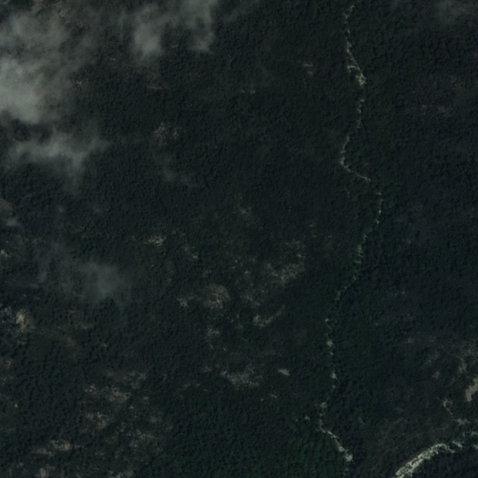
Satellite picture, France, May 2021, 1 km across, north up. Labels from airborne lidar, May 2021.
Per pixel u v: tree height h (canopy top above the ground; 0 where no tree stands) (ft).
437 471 27
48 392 82
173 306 84
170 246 54
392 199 68
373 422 34
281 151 28
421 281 20
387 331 26
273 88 35
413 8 72
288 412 64
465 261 44
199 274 39
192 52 59
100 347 53
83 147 26
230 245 25
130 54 23
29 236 41
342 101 49
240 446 69
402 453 26
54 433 61
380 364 48
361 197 68
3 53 22
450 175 55
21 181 62
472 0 23
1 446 93
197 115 67
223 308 19
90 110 81
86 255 53
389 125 66
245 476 95
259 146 25
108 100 69
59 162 62
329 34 30
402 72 39
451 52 85
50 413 85
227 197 59
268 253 35
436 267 35
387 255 57
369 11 59
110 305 65
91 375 80
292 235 26
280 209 46
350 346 24
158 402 37
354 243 35
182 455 51
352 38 70
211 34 58
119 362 64
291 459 35
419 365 24
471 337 27
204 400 46
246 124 61
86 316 48
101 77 37
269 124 27
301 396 30
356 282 49
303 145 43
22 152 43
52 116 81
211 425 60
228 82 28
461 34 43
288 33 38
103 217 64
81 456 87
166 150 28
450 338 19
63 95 23
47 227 50
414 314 33
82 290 56
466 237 64
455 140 26
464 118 61
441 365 41
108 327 67
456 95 36
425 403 19
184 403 67
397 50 72
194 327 52
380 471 52
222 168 74
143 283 45
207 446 68
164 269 59
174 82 32
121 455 20
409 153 35
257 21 31
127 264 60
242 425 43
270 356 27
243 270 24
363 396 35
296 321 21
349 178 42
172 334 67
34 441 72
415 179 34
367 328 37
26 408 79
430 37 63
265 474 56
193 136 34
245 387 38
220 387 42
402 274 24
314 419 75
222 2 26
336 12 54
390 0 59
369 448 65
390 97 47
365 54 79
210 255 38
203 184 43
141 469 25
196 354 74
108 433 22
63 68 72
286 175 28
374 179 98
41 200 69
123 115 71
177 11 65
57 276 48
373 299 24
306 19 55
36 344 63
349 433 91
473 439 25
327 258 25
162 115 28
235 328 45
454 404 34
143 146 50
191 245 21
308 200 34
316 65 64
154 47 56
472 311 33
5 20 23
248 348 27
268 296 26
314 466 33
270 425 66
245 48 62
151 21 59
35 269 48
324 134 65
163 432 46
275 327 43
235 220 48
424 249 41
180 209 64
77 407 62
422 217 26
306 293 45
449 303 42
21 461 31
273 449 58
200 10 73
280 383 50
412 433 21
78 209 61
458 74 28
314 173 56
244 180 24
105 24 80
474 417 52
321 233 24
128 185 55
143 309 57
